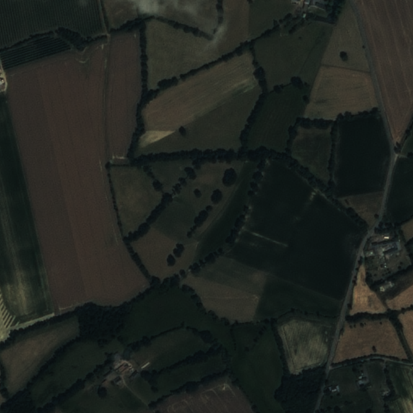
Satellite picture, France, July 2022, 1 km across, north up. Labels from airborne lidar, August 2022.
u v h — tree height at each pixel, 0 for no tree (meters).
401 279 0
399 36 0
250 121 14
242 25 0
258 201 0
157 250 0
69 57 0
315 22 0
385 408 12
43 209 0
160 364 0
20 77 0
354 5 0
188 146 0
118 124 0
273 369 0
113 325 21
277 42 0
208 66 14
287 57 0
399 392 0
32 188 0
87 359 0
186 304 0
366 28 0
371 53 0
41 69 0
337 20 13
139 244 0
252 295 0
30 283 0
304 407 15
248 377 0
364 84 0
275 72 0
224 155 17
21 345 0
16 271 0
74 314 13
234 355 0
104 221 0
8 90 0
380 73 0
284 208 0
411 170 0
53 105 0
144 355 0
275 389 0
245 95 0
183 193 0
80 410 0
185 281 0
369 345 0
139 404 0
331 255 0
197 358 18
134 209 0
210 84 0
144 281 0
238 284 0
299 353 0
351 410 0
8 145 0
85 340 8
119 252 0
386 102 0
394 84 0
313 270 0
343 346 0
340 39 0
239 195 0
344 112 0
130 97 0
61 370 0
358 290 0
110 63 0
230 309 0
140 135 14
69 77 0
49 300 0
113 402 0
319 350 0
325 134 0
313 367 0
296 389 16
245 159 14
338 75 0
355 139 0
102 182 0
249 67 0
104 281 0
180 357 0
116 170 0
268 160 9
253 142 0
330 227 0
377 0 0
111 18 0
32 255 0
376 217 13
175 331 5
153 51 0
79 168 0
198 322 0
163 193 5
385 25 0
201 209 0
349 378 0
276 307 0
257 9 0
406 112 0
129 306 19
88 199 0
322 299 0
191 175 22
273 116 0
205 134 0
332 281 0
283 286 0
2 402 0
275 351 0
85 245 0
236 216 0
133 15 0
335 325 0
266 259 0
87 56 0
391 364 0
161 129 0
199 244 0
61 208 0
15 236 0
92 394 0
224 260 0
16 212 0
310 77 0
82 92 0
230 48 0
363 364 9
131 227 0
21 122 0
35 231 0
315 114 0
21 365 0
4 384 11
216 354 17
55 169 0
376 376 0
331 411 6
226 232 0
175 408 0
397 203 0
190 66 0
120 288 0
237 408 0
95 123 0
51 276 0
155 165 0
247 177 0
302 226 0
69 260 0
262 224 0
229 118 0
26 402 19
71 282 0
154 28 0
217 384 0
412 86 0
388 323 0
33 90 0
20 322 0
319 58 0
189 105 0
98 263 0
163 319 0
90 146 0
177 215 0
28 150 0
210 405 0
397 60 0
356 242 0
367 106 0
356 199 0
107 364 14
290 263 0
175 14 0
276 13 0
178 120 0
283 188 0
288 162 11
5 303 0
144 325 0
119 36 0
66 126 0
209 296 0
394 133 0
